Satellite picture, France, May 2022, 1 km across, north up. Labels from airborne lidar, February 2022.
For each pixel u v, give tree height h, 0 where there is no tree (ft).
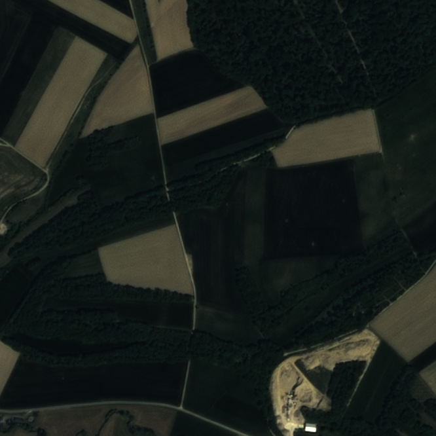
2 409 0
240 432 0
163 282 0
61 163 25
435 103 0
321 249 0
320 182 0
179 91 0
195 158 0
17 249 44
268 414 57
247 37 103
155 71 0
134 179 0
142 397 0
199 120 0
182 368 0
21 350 33
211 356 62
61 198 19
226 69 68
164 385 0
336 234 0
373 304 56
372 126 0
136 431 70
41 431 36
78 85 0
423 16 76
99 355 45
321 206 0
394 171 0
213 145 0
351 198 0
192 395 0
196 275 0
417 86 0
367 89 83
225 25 87
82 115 0
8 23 0
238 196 0
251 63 90
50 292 54
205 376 0
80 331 65
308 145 0
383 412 46
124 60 23
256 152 47
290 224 0
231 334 0
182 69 0
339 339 0
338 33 85
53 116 0
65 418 0
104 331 67
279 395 0
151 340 23
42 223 0
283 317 18
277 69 106
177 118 0
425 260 25
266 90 73
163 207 53
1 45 0
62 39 0
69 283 34
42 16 0
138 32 0
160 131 0
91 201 31
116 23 0
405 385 66
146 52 0
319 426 0
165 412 0
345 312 63
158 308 0
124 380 0
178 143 0
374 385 0
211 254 0
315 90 30
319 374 0
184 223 0
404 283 0
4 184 0
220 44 85
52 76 0
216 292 0
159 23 0
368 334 0
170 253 0
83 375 0
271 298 0
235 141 0
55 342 0
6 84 0
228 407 0
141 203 37
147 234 0
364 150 0
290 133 0
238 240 0
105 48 0
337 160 0
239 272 36
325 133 0
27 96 0
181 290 0
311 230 0
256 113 0
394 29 89
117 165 0
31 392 0
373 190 0
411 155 0
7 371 0
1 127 0
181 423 0
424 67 35
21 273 0
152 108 0
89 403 0
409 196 0
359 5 93
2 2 0
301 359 0
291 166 0
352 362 29
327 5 85
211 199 48
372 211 0
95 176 0
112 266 0
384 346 0
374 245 25
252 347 53
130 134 0
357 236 0
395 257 0
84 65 0
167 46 0
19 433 0
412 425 36
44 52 0
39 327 61
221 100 0
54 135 0
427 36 65
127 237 0
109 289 62
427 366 0
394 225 0
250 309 37
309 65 107
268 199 0
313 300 0
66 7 0
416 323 0
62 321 52
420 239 0
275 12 91
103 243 0
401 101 0
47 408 0
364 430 46
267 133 0
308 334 65
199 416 0
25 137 0
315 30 98
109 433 0
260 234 0
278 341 0
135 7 0
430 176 0
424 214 0
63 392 0
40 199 0
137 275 0
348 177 0
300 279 0
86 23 0
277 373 0
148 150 0
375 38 93
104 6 0
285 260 0
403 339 0
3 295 0
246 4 107
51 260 0
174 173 0
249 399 0
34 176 0
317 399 0
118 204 35
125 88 0
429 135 0
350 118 0
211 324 0
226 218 0
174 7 0
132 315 0
